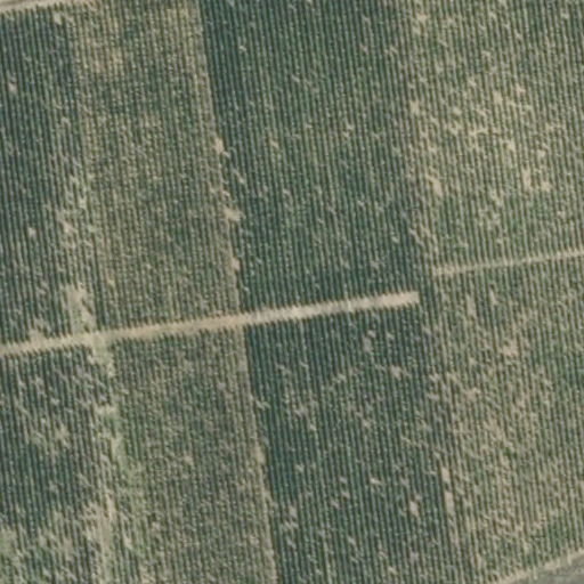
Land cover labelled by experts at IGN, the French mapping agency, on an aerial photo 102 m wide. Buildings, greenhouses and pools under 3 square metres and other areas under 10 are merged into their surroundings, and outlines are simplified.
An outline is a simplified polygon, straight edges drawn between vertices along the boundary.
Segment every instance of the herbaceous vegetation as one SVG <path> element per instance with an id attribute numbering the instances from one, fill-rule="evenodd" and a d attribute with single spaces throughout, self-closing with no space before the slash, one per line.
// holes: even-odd
<path id="1" fill-rule="evenodd" d="M 584 584 L 584 545 L 577 550 L 568 550 L 566 554 L 552 561 L 509 573 L 488 584 Z"/>

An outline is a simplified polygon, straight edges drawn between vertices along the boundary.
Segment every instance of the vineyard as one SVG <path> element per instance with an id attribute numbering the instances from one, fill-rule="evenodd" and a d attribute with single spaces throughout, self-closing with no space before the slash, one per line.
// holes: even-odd
<path id="1" fill-rule="evenodd" d="M 566 554 L 568 550 L 577 550 L 584 545 L 584 0 L 0 0 L 0 584 L 488 584 L 509 573 L 552 561 Z"/>

